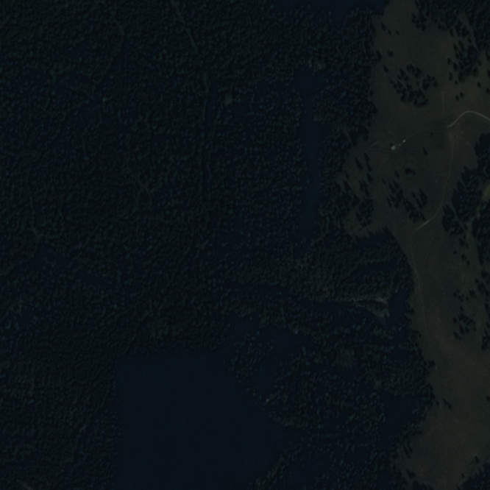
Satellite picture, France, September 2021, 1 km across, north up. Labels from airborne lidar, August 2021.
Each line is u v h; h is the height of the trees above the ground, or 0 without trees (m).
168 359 27
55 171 31
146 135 22
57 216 23
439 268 0
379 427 11
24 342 27
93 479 29
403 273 13
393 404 0
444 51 0
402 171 0
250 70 14
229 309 24
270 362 15
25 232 11
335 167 17
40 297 15
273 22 21
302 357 28
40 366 27
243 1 27
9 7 24
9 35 27
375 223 0
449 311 0
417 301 0
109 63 19
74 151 13
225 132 26
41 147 29
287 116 25
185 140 15
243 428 25
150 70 15
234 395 16
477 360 0
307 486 10
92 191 29
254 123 16
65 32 31
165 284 22
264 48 28
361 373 11
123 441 24
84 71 30
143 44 24
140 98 21
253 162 25
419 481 0
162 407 23
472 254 0
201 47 12
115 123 19
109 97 21
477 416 0
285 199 29
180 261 25
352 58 26
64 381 30
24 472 27
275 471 23
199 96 10
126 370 27
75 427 26
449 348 0
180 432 25
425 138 0
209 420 12
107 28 18
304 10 18
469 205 22
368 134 11
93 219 25
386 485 13
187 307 14
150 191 15
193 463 23
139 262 29
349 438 12
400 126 0
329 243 18
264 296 18
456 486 0
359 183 0
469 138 0
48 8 25
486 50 20
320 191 19
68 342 31
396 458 20
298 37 26
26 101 26
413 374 13
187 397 22
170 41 20
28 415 24
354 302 7
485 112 0
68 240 20
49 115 30
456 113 0
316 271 12
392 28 0
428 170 0
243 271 24
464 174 0
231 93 7
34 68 21
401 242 0
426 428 0
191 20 16
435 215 0
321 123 16
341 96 24
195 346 24
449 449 0
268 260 18
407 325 18
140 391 25
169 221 23
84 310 21
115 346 30
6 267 16
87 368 30
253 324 15
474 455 0
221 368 22
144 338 26
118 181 14
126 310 22
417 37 0
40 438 23
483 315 0
